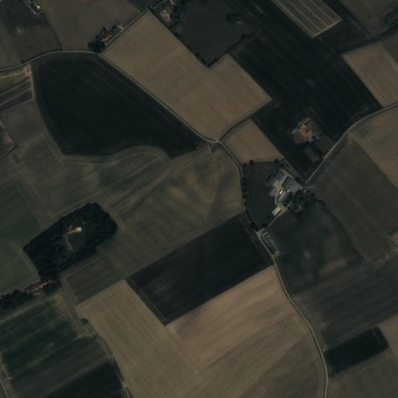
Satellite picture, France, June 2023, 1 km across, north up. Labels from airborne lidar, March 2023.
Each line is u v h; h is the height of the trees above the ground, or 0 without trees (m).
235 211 0
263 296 0
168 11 0
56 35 0
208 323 0
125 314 0
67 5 0
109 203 0
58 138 0
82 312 0
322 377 0
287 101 0
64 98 0
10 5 0
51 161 0
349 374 0
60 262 0
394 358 0
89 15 0
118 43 0
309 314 0
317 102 0
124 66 0
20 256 0
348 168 0
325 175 0
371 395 0
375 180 0
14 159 0
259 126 0
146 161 0
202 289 0
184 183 0
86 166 0
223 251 0
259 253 0
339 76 0
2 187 0
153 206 0
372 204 0
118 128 0
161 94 0
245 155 0
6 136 0
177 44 0
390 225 0
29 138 0
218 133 0
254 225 11
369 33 0
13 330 0
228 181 0
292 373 0
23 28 0
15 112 0
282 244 0
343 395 0
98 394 0
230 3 0
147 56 0
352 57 0
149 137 0
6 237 0
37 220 0
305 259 0
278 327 0
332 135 0
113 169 0
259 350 0
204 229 0
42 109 0
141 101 0
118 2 0
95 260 0
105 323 0
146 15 0
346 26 0
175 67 0
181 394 0
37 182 0
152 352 0
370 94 0
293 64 0
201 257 0
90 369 0
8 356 0
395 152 0
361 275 0
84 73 0
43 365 0
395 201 0
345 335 0
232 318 0
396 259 0
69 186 0
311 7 0
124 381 0
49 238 19
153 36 0
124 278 0
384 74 0
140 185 0
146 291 0
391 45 0
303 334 0
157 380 0
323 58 0
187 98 0
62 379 0
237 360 0
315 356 0
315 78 0
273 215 0
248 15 0
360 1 0
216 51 0
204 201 0
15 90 0
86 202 0
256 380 0
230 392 0
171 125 0
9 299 12
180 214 0
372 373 0
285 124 0
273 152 0
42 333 0
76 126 0
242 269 0
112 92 0
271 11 0
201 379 0
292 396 0
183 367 0
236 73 0
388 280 0
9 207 0
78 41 0
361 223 0
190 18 0
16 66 0
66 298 0
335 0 0
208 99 0
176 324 0
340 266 0
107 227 21
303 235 0
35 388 0
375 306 0
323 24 0
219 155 0
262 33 0
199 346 0
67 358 0
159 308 0
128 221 0
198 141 0
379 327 0
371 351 0
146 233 0
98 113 0
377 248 0
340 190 0
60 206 0
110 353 0
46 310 0
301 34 0
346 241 0
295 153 0
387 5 0
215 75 0
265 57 0
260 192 0
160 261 0
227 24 0
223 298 0
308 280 0
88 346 0
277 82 0
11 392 0
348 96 0
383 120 0
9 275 0
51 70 0
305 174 0
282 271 0
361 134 0
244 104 0
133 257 0
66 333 0
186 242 0
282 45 0
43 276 15
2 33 0
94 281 0
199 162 0
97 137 0
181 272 0
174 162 0
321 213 0
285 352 0
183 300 0
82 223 0
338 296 0
